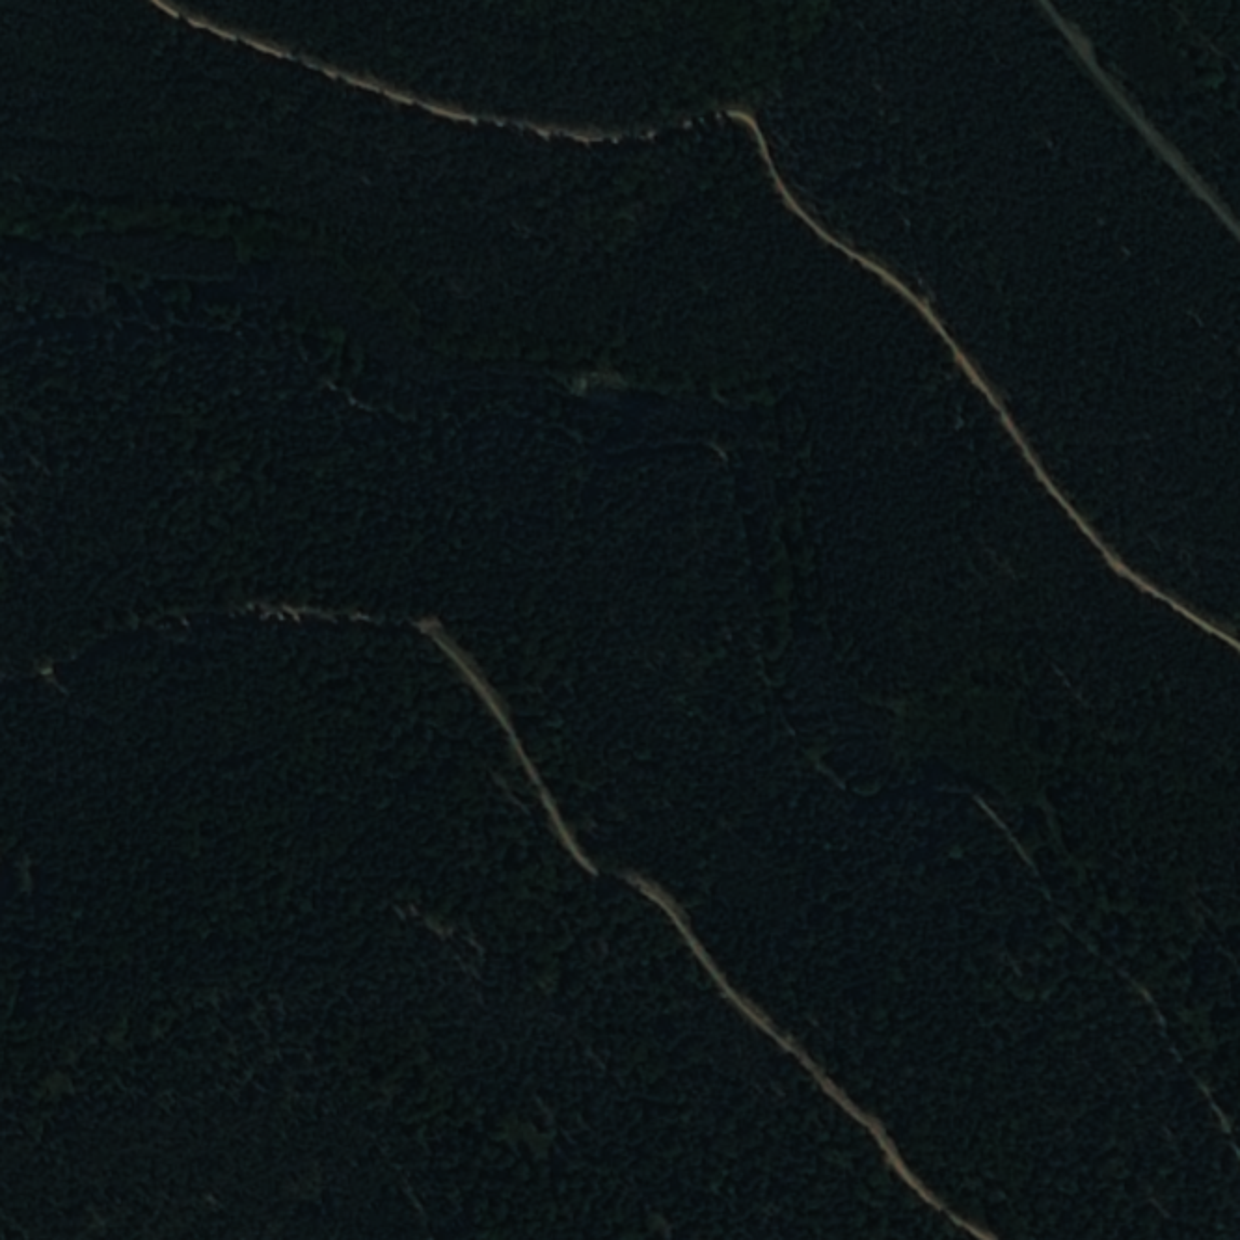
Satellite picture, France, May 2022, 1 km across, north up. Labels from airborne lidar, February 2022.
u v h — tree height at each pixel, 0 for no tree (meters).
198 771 27
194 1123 22
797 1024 28
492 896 28
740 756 31
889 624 25
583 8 23
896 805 28
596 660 24
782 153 8
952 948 22
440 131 26
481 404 18
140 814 26
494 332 23
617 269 28
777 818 29
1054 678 27
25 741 28
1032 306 15
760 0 30
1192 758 18
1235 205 20
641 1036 31
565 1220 23
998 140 25
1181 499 23
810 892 26
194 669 23
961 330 18
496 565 29
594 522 28
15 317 33
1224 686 21
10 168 21
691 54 28
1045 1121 19
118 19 20
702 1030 22
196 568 29
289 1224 27
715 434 29
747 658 26
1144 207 22
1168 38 13
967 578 27
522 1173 28
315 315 24
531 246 24
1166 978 31
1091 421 20
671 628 22
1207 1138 32
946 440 22
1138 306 24
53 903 31
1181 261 13
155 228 31
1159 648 22
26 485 25
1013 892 30
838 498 28
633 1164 30
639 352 20
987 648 24
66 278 34
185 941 30
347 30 23
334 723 29
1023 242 21
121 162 23
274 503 29
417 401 26
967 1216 22
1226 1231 27
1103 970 27
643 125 15
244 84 21
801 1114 26
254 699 26
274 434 24
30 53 19
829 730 35
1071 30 0
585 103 21
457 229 21
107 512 22
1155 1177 27
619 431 15
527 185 18
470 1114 27
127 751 24
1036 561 25
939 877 27
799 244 26
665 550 25
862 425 21
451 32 26
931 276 20
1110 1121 28
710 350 27
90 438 27
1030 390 20
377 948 30
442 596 25
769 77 27
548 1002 35
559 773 29
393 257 22
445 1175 12
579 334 29
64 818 29
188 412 27
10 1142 27
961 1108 20
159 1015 12
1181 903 29
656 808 31
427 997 30
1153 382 24
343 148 21
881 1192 25
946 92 23
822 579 30
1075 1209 26
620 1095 30
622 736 30
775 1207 30
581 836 0
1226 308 23
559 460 30
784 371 27
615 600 25
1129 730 24
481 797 28
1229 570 20
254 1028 26
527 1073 28
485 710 23
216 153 20
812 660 39
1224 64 6
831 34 21
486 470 27
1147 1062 33
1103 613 27
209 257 30
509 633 26
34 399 30
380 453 23
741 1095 27
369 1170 23
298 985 25
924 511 25
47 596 21
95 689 21
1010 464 24
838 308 24
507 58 23
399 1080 11
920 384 27
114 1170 24
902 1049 17
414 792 27
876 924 26
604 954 27
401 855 27
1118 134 20
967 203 20
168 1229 25
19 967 17
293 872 26
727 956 24
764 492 34
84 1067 13
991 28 22
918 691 22
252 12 25
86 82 23
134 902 28
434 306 20
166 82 22
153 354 30
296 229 27
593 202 27
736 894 19
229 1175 28
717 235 23
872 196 18
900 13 21
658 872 27
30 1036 24
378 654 26
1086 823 23
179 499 27
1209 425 22
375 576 25
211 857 28
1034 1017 25
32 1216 31
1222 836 27
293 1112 24
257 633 27
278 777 24
